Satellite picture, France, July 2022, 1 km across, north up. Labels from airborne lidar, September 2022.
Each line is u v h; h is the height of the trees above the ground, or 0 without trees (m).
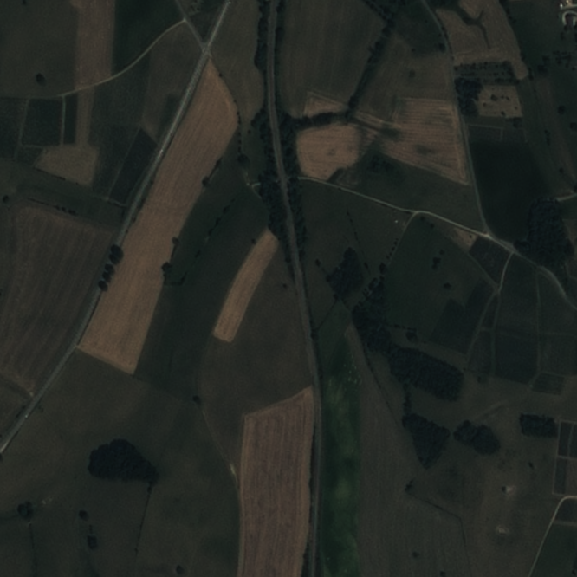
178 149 0
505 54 0
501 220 0
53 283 0
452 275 0
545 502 0
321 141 0
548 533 0
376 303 20
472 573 0
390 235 0
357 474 0
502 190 0
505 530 0
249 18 0
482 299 0
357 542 0
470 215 0
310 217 0
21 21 0
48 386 0
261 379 0
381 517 0
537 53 0
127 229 0
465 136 0
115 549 0
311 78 0
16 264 0
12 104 0
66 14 0
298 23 0
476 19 0
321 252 0
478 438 15
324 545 0
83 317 0
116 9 0
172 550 0
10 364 0
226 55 0
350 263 17
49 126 0
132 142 0
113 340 0
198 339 0
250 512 0
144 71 0
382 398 0
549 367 0
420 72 0
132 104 0
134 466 20
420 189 0
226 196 0
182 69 0
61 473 0
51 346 0
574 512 0
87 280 0
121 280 0
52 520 0
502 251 0
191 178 0
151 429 0
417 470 0
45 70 0
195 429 0
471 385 0
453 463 0
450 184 0
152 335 0
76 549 0
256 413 0
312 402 0
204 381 0
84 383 0
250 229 0
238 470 0
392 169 7
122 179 0
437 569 0
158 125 0
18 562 0
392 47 0
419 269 0
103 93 0
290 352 0
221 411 0
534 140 0
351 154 0
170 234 0
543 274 0
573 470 0
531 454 0
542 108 0
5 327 0
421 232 0
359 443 0
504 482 0
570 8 0
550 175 0
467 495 0
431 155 0
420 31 0
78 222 0
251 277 0
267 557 0
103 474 18
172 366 0
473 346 0
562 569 0
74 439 0
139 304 0
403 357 20
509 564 0
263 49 17
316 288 0
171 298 0
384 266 11
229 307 0
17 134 0
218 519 0
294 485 0
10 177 0
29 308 0
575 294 0
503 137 0
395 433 0
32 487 0
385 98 0
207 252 0
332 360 0
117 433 0
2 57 0
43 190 0
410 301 0
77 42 0
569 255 16
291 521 0
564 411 0
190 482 0
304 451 0
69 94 0
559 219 22
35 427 0
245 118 0
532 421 18
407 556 0
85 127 0
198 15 0
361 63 0
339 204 0
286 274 0
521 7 0
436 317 0
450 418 0
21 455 0
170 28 0
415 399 0
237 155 0
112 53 0
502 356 0
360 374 0
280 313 0
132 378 0
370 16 0
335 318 0
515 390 0
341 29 0
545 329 0
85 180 0
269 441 0
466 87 20
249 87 0
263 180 20
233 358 0
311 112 0
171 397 0
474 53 0
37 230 0
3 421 0
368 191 0
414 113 0
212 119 0
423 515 0
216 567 0
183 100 0
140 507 0
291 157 17
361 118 0
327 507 0
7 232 0
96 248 0
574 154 0
